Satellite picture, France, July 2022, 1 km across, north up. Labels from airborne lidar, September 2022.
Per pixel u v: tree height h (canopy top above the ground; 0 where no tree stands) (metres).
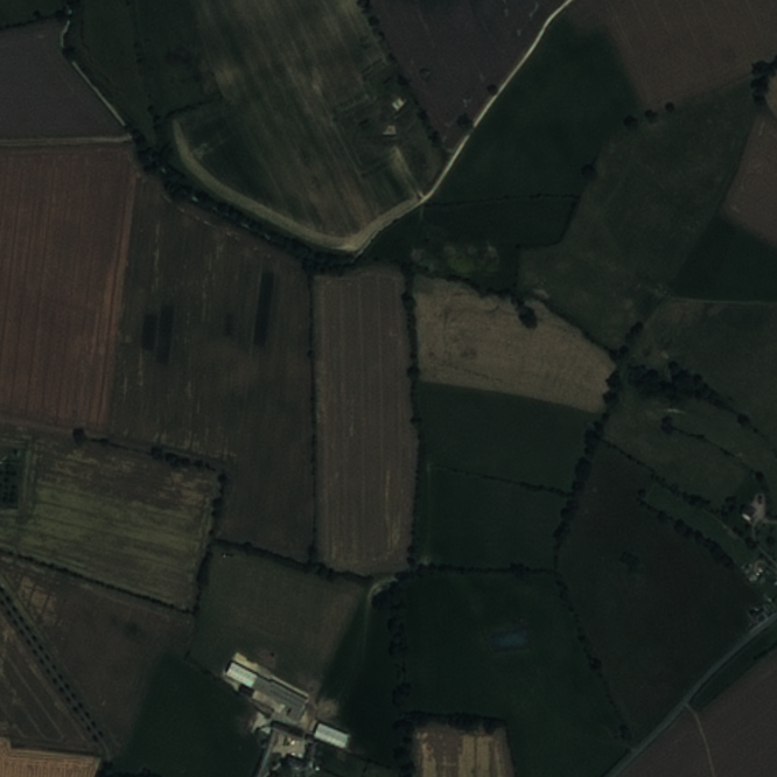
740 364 0
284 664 0
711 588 0
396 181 0
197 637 0
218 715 0
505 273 0
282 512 0
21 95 0
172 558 0
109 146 0
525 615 0
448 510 0
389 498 0
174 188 17
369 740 0
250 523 0
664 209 0
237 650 0
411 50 0
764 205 0
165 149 9
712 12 0
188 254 0
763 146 0
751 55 0
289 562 7
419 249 0
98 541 0
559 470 0
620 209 0
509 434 0
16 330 0
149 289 0
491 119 0
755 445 0
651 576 0
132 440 0
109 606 0
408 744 17
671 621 0
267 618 0
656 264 0
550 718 0
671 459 0
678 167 0
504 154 0
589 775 0
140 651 0
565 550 0
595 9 0
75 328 0
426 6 0
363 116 0
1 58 0
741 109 0
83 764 0
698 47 0
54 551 0
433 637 0
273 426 0
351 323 0
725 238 0
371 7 24
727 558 12
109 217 0
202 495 0
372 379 0
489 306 0
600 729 0
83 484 0
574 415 0
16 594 0
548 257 0
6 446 0
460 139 0
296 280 0
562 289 0
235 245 0
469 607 0
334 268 19
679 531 12
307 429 0
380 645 0
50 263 0
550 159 0
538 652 0
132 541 0
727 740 0
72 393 0
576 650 0
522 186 0
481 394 0
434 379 0
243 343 0
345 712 0
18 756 0
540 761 0
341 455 0
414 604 0
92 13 0
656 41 0
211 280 0
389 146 0
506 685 0
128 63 0
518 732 0
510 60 0
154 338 0
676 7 0
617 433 0
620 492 0
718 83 0
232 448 0
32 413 0
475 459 0
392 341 0
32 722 0
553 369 0
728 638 0
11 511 0
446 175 0
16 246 0
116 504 0
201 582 13
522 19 0
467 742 0
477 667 0
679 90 0
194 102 0
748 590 0
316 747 7
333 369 0
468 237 0
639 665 0
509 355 0
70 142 0
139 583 0
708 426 0
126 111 0
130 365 0
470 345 0
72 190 0
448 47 0
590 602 0
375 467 0
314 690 0
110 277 0
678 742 0
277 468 0
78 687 0
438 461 0
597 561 0
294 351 0
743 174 0
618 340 0
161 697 0
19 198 0
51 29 0
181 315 0
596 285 0
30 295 0
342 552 0
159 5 0
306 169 0
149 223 0
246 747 0
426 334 0
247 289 0
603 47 0
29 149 0
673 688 0
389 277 0
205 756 0
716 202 0
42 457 0
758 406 0
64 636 0
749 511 0
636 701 0
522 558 0
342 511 0
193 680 0
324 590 0
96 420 0
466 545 0
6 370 0
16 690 0
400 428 0
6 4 0
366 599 0
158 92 0
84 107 0
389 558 0
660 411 0
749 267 0
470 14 0
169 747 0
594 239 0
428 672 0
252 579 0
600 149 0
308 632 0
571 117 0
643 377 13
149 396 0
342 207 0
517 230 0
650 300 0
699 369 0
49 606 0
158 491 0
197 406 0
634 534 0
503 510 0
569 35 0
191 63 0
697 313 0
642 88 0
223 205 9
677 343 0
